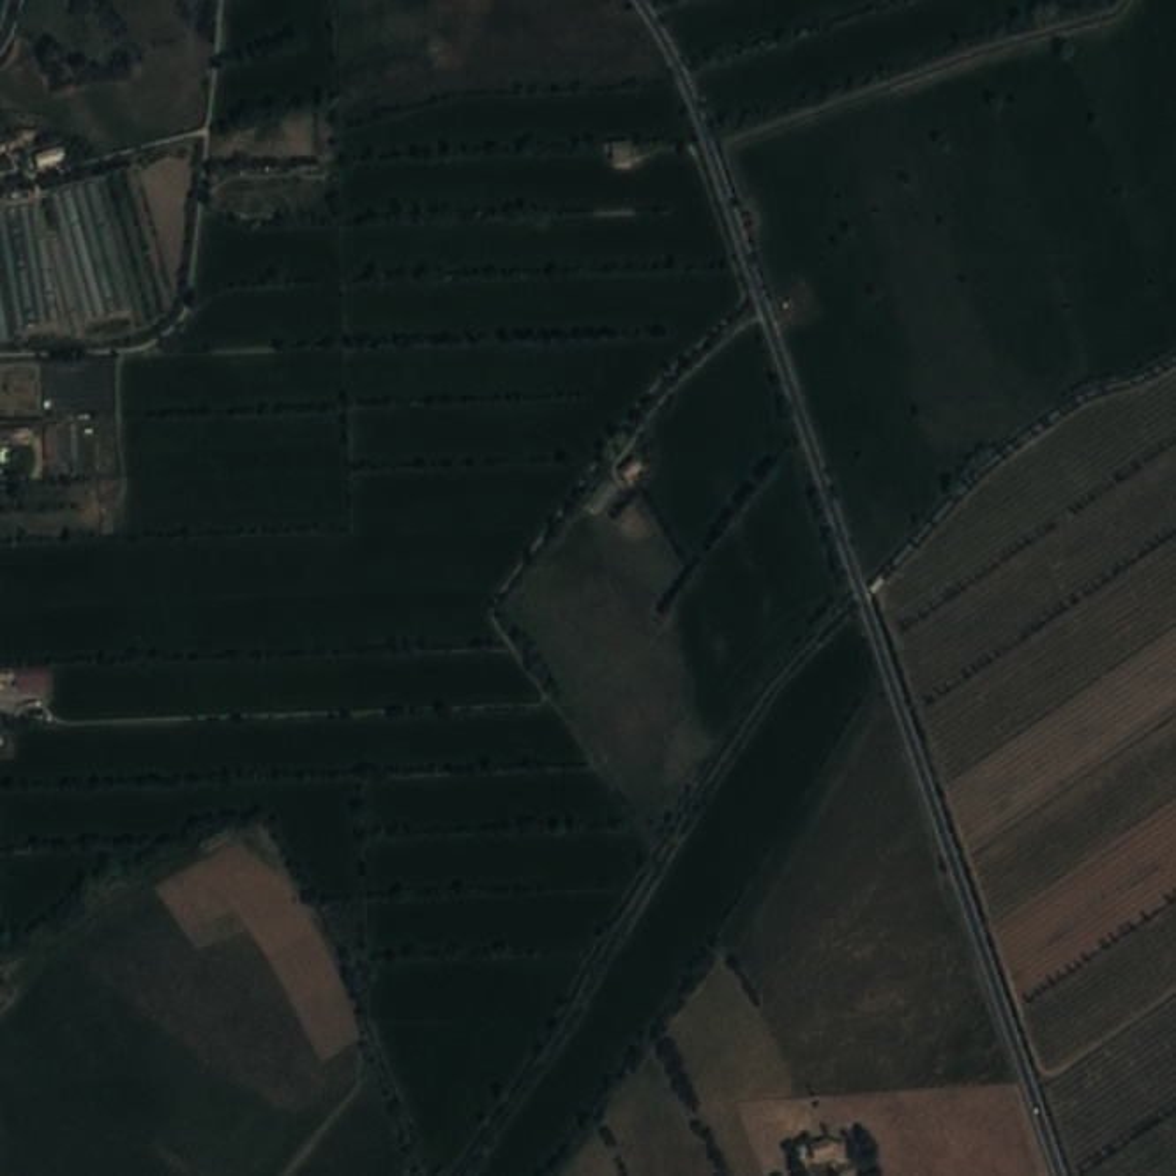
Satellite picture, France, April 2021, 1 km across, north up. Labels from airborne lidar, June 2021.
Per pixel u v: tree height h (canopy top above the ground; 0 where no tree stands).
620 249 0
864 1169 13
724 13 0
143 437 0
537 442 0
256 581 0
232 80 0
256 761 0
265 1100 0
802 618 0
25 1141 0
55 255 0
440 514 0
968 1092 0
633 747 0
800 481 0
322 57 0
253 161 8
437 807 0
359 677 0
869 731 0
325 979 0
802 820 0
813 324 0
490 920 0
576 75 0
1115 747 0
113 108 0
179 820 0
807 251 0
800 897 0
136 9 0
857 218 0
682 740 0
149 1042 0
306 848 0
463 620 0
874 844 0
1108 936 0
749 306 9
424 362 0
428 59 0
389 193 0
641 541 0
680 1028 0
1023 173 0
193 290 9
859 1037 0
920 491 0
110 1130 0
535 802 0
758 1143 0
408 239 0
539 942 0
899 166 0
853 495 0
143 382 0
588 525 0
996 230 0
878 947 0
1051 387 0
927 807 0
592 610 0
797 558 0
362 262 0
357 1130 0
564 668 0
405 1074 0
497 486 0
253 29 0
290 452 0
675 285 0
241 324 0
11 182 7
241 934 0
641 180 0
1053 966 0
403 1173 0
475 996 0
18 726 14
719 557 0
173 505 0
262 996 0
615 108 0
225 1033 0
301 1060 0
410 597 0
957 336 0
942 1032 0
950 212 0
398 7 0
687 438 0
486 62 0
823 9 0
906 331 0
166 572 0
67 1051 0
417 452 0
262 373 0
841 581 8
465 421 0
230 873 0
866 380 0
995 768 0
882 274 0
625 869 0
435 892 6
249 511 0
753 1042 0
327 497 0
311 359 0
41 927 9
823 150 0
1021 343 0
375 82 0
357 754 0
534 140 13
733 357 0
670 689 0
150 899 0
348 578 0
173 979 0
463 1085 0
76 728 0
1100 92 0
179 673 0
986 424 0
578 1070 0
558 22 0
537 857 0
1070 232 0
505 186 0
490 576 0
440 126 0
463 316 0
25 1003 0
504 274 7
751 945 0
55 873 0
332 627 0
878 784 0
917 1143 0
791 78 0
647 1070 0
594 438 0
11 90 0
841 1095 0
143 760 0
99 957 0
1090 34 0
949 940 0
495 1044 0
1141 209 0
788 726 0
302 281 7
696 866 0
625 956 0
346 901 7
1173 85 0
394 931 0
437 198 0
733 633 0
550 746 0
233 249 0
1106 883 0
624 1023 0
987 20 0
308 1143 0
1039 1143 0
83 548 0
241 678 0
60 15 0
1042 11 16
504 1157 0
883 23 0
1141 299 0
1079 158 0
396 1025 0
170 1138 0
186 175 0
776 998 0
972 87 0
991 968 0
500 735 0
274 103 14
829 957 0
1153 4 0
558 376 0
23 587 0
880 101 0
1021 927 0
